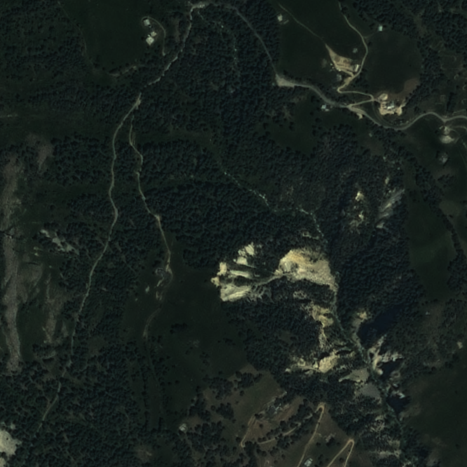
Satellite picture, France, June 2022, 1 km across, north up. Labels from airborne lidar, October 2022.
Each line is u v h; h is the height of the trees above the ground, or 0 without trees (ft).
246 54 82
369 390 0
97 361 63
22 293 0
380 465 35
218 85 43
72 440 43
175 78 36
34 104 29
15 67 34
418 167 76
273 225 64
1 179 28
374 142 0
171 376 0
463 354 0
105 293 36
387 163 41
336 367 36
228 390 47
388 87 0
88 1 0
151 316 0
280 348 62
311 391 32
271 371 31
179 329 54
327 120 0
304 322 21
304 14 0
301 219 47
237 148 39
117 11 0
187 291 0
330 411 34
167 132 39
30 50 70
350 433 43
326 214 36
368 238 28
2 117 0
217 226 66
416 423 0
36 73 30
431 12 46
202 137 0
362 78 62
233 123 90
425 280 0
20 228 0
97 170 25
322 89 59
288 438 35
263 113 35
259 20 80
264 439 30
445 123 0
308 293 23
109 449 86
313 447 0
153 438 49
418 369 28
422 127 0
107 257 70
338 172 23
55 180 27
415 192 22
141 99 21
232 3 41
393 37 0
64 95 41
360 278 108
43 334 0
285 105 37
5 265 0
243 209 95
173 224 101
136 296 37
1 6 19
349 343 33
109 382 97
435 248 0
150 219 78
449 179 31
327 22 0
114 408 72
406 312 61
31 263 22
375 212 35
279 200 32
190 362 0
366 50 0
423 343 29
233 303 26
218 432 51
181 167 71
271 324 48
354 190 21
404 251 48
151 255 0
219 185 33
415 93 36
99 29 0
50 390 94
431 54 54
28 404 28
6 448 0
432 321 0
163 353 0
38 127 0
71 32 24
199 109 33
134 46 0
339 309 41
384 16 55
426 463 42
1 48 27
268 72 60
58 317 0
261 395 0
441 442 0
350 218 25
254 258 23
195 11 43
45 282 0
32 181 40
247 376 43
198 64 67
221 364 0
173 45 18
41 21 30
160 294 0
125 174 90
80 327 77
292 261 0
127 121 30
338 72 0
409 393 21
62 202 22
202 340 0
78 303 25
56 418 28
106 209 66
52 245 48
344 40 0
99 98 35
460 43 64
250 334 45
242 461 43
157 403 0
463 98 0
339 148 37
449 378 0
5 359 34
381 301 43
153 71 43
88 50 0
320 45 0
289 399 30
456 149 0
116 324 60
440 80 54
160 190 18
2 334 0
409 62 0
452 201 0
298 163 88
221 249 44
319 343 21
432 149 0
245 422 0
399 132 33
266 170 29
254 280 33
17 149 47
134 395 48
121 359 72
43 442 46
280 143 0
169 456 0
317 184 24
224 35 23
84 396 82
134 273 24
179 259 0
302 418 53
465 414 0
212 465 67
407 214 41
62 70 23
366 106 0
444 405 0
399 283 27
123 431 61
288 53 0
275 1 0
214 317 0
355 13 0
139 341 0
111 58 0
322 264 0
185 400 0
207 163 84
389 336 27
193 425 0
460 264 52
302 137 0
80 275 25
